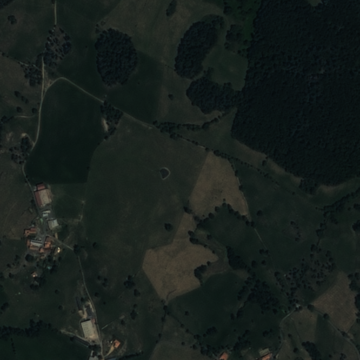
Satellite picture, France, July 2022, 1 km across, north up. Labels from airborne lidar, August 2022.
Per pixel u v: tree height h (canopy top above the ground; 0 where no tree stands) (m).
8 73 0
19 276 0
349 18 19
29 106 0
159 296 0
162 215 0
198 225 7
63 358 0
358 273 11
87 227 0
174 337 0
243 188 18
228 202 0
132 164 0
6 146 0
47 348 0
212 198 0
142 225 0
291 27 20
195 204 0
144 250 0
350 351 0
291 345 0
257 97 23
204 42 17
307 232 0
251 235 0
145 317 0
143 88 0
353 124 21
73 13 0
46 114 0
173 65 0
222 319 0
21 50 0
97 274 0
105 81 18
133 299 0
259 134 15
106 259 0
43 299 0
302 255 0
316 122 17
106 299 0
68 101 0
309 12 24
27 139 10
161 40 0
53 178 0
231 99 19
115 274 0
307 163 21
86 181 0
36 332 25
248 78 17
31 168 0
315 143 18
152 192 0
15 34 0
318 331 0
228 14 14
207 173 0
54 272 15
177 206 0
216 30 15
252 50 17
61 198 0
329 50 20
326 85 22
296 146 20
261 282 21
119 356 0
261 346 0
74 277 0
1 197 0
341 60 21
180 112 0
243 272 0
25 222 0
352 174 17
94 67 0
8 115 0
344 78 19
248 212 0
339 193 0
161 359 0
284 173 0
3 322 0
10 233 0
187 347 0
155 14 0
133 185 0
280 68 19
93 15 0
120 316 0
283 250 0
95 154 0
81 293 0
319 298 0
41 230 0
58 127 0
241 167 0
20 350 0
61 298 0
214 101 22
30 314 0
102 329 0
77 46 0
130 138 0
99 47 24
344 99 20
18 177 0
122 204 0
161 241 0
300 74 23
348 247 0
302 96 22
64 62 0
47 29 0
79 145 0
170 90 0
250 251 0
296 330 0
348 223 0
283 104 21
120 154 0
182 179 0
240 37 16
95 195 0
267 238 0
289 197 0
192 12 0
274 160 11
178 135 10
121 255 0
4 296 0
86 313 0
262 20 22
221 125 0
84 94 0
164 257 0
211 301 0
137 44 0
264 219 0
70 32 0
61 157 0
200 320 0
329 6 24
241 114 18
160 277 0
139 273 0
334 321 0
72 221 0
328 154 20
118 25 0
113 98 0
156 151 0
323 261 0
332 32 18
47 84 0
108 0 0
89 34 0
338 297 0
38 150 0
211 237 15
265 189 0
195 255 0
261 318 0
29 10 0
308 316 0
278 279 6
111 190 0
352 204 0
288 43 21
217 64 0
